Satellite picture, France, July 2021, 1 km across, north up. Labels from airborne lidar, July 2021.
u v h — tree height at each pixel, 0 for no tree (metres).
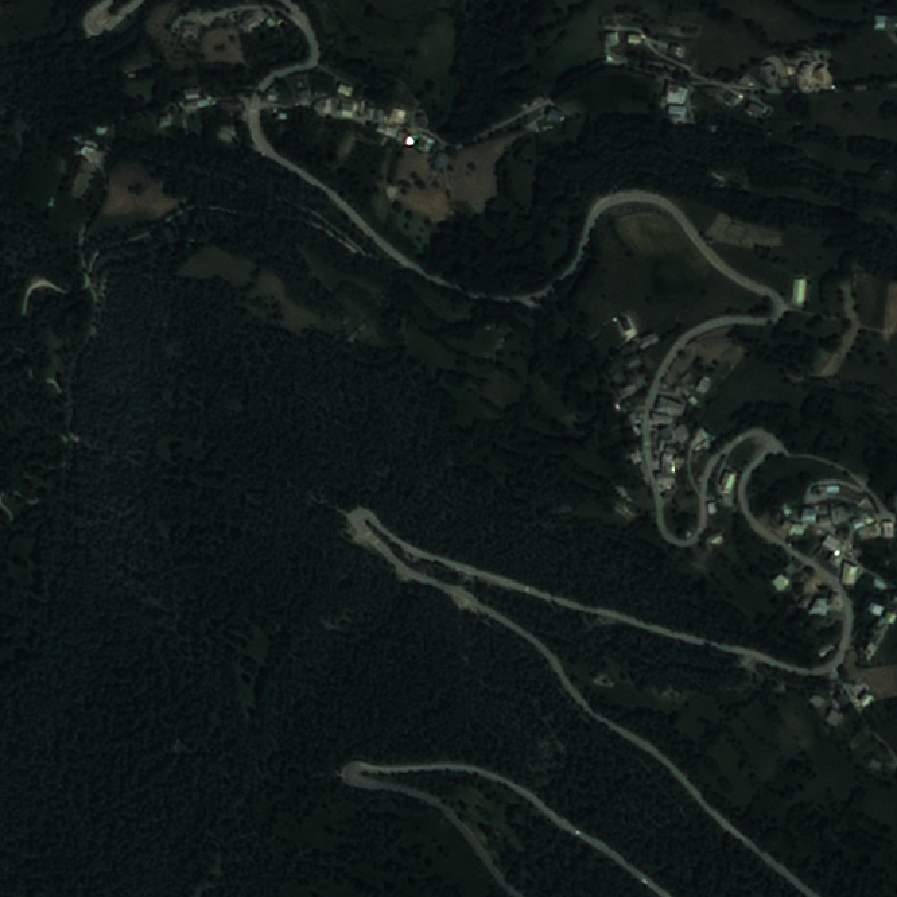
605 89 0
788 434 14
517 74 12
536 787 7
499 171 8
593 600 14
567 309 16
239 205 19
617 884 16
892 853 9
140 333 11
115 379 7
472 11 17
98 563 17
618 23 0
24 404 22
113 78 15
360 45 16
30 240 11
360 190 9
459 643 14
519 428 13
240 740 19
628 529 7
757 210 13
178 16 0
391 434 18
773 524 0
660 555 10
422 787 11
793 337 12
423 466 16
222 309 18
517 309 11
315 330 10
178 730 12
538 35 11
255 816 11
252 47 5
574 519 7
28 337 16
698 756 13
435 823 0
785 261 10
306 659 20
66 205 0
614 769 18
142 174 0
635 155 20
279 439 17
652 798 20
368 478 15
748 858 16
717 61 0
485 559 17
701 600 11
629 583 8
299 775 16
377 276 8
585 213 6
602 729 17
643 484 7
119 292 9
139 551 9
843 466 0
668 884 10
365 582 12
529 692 22
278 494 19
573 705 7
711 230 0
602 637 11
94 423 12
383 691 20
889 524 0
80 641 16
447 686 14
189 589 19
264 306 6
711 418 0
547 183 18
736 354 0
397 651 22
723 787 9
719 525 0
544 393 0
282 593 27
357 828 12
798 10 14
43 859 13
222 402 17
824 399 8
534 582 10
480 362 12
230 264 0
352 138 0
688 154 11
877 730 8
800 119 14
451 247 15
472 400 0
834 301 0
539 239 8
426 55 0
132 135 8
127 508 9
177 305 18
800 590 10
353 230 13
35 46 12
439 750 7
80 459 17
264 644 0
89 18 0
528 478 15
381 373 21
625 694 0
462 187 0
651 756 10
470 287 16
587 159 27
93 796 8
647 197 0
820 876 22
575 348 15
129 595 10
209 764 20
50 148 7
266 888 19
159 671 22
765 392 0
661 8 0
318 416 16
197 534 17
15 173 17
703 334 0
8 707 31
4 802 22
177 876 11
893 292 0
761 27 7
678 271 0
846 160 0
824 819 16
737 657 12
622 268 0
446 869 0
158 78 8
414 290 18
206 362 16
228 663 19
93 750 12
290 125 7
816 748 0
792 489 5
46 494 18
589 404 17
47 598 14
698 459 0
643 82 0
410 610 23
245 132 14
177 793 22
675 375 0
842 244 9
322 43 8
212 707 19
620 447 9
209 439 18
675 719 18
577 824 15
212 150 15
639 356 8
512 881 13
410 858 17
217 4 8
